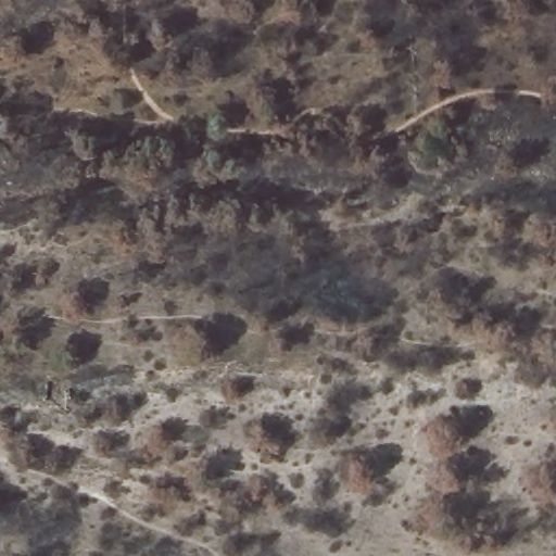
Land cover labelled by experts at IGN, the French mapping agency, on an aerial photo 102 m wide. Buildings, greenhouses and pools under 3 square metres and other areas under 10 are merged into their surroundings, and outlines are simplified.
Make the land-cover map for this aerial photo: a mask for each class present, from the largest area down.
<instances>
[{"label":"bare soil","instance_id":"1","mask_svg":"<svg viewBox=\"0 0 556 556\"><path fill-rule=\"evenodd\" d=\"M104 37L98 20L91 24L87 35H76L67 39L65 35L56 33L54 43L39 54L26 56L17 39H4L0 46V139H4L7 132H13L26 139L30 137V143L41 150H54L70 139L65 135L67 130L89 132L93 137V169H102L104 152L124 154L130 143L143 139H150V150L159 152L161 139L165 137L172 148V165L159 167L152 178V185L163 182L176 187V215L182 217L189 213V195H193L198 209L206 213L222 200H239V211L235 215L232 230L204 232V228L198 224L174 226L172 235L178 241L169 248H161V256L156 263H137L135 256L124 254L126 243H122L119 239L124 226V222H119V215L132 211L135 206L122 193V180L89 178L87 182H80L74 189H54L52 193L50 182L46 178L22 172V165L11 161L9 152L0 148V556H556V532L545 534L541 530H534L530 543H510L502 549L484 554L482 549L465 552L452 539L441 541L430 534L408 532L402 528V521L415 517V506L421 497H426V484L439 469L437 458L430 454L428 439L421 432L424 424L434 417H439L456 437L473 441L476 447H471L469 452L447 458V469L456 480H467L469 495L489 493L491 500L497 504L500 519H506L508 513L517 508H528V517L532 519L539 517V506L534 504L528 491H523V487L530 484V476L526 473V469L536 463H545L547 445H556V387L543 384L539 389H530L526 384L515 382L517 363L500 365L502 341L506 339L510 326L500 324L489 330L482 321L473 319L469 326L458 328L454 326V321L458 319V315L450 311V306L443 300H417L419 282L415 278H402L395 287H389L384 280L365 278V269L369 265L367 248H358L352 254H343L341 245H337L332 230L378 226L395 219L413 224L419 219H428V213L417 209L421 202L419 193H404L400 206L384 211L378 217H371L369 211H363L361 219H354L343 217V206L337 204L334 193L328 191L315 195L308 191L274 185L267 178L230 180L232 165L250 167L263 161V135H232L230 139L217 141L209 137V122L204 117L176 119L150 96L148 76H139L130 67L111 65L102 50ZM180 328H195V332H200L206 341L202 350V363L193 369L189 367L187 356L180 354V339L176 337V330ZM256 417H261L263 434L278 445L274 458L276 463H263L243 434L245 421ZM159 426L161 437L165 441H191L195 452H202L206 447L213 454L202 473L206 491L191 495L185 480L176 478L182 471V467L202 465L198 456H187V450H176L174 463L163 465L159 456L150 454L143 447ZM24 430L37 437H46L56 445L78 447L83 450V454L78 456L76 465L61 476L46 473L39 469L17 471L15 465L9 460L4 439L9 437V432L20 434ZM341 434H354V441L358 445L354 450V460L363 465L361 473L365 480L382 484L380 493H371L369 497H365L354 489L352 482L339 489L332 480L317 478L319 469H330L339 463V456H332L326 445H330ZM141 476L159 478V491L174 489L176 497L182 500L178 508L167 517H154L152 521L143 519V508L150 504L152 491L146 484H141ZM545 91L517 89L508 83L497 87L495 91L482 87L465 89L454 96L430 102L426 109L413 113L408 119H387V130L397 137V150L408 159L410 169L432 178H441L447 172V161L456 156V148L465 146L467 156H473L478 152V143L489 135V130H508L517 122L519 141H515L510 159L515 167L523 169L526 180H497L493 189L487 191L489 206L480 211L450 202L443 206V213L458 211L463 215L465 226H476V237L467 239L463 254L450 261V267L473 278L493 276L500 287H515L521 293L556 298V269L552 265H539L536 261H532V256L536 254V245L523 241V224L530 215L556 217V111L541 106Z\"/></svg>","mask_w":556,"mask_h":556},{"label":"coniferous trees","instance_id":"2","mask_svg":"<svg viewBox=\"0 0 556 556\"><path fill-rule=\"evenodd\" d=\"M98 20L104 37L102 50L111 65L130 67L139 76H148L150 96L176 119L204 117L209 122V137L217 141L230 139L232 135H263V161L250 167L232 165L230 180L267 178L274 185L308 191L315 195L328 191L334 193L337 204L343 206V217L354 219H361L363 211H369L371 217H378L384 211L400 206L404 193H419L421 202L417 209L428 213V219H419L413 224L395 219L378 226L332 230L337 245H341L343 254H352L358 248H367L369 265L365 269V278L384 280L389 287H395L402 278H415L419 282L417 300H443L450 306V311L458 315V319L454 321V326L458 328L469 326L473 319L482 321L489 330L500 324L510 326L506 339L502 341L500 365L517 363L515 382L526 384L530 389H539L543 384L556 387V298L521 293L515 287H500L493 276L473 278L450 267V261L463 254L467 239L476 237V226H465L463 215L458 211L443 213V206L450 202L480 211L489 206L487 191L493 189L497 180H526L523 169L515 167L510 159L515 141H519L517 122L508 130H489V135L478 143V152L473 156H467L465 146L456 148V156L447 161V172L441 178H432L410 169L408 159L397 150V137L387 130V119H408L413 113L426 109L430 102L454 96L465 89L482 87L495 91L497 87L508 83L517 89L545 91L541 106L556 111V0H0V46L4 39H17L26 56L39 54L54 43L56 33L65 35L67 39L76 35H87L91 24ZM65 135L70 139L54 150H41L30 143V137L26 139L13 132H7L4 139H0V148L9 152L11 161L22 165V172L46 178L50 182L52 193L54 189H74L80 182H87L89 178L122 180V193L135 206L132 211L119 215V222H124V226L119 239L122 243H126L124 254L135 256L137 263H156L161 256V248H169L178 241L172 235L174 226L198 224L204 228V232L232 230L235 215L239 211V200H222L206 213L198 209L193 195H189V213L182 217L176 215V187L163 182L152 185V178L159 167L172 165V148L165 137L161 139L159 152L150 150V139H143L130 143L124 154L104 152L102 169H93V137L89 132L67 130ZM523 241L536 245V254L532 256V261H536L539 265H552L556 269V217L530 215L523 224ZM176 337L180 339V354L187 356L189 367L193 369L202 363V350L206 341L200 332H195V328H180L176 330ZM243 434L263 463H276L274 458L278 445L263 434L261 417H256L245 421ZM421 432L428 439L430 454L437 458L439 469L426 484V497H421L415 506V517L402 521V528L408 532L430 534L441 541L452 539L465 552L482 549L484 554L502 549L510 543H530L534 530H541L545 534L556 532V445H547L545 463H536L526 469V473L530 476V484L523 487V491H528L534 504L539 506V517L532 519L528 517V508H517L508 513L506 519H500L497 504L491 500L489 493L469 495L467 480H456L447 469V458L469 452L471 447H476L473 441L456 437L439 417H434L424 424ZM143 447L150 454L159 456L163 465L174 463L176 450H187V456H198L202 465L182 467V471L176 478L185 480L191 495L206 491L202 473L213 454L206 447L202 452H195L191 441H165L161 437L159 426ZM9 460L15 465L17 471L39 469L46 473L61 476L76 465L78 456L83 454V450L78 447L56 445L46 437H37L24 430L20 434L9 432V437L4 439ZM332 456H339V463L330 469H319L317 478L332 480L339 489L352 482L354 489L365 497H369L371 493H380L382 484L365 480L361 473L363 465L354 460V450L358 445L354 441V434H341L330 445H326ZM159 478L141 476V484H146L152 491L150 504L143 508V519L152 521L154 517H167L178 508L182 500L176 497L174 489L159 491Z\"/></svg>","mask_w":556,"mask_h":556}]
</instances>
